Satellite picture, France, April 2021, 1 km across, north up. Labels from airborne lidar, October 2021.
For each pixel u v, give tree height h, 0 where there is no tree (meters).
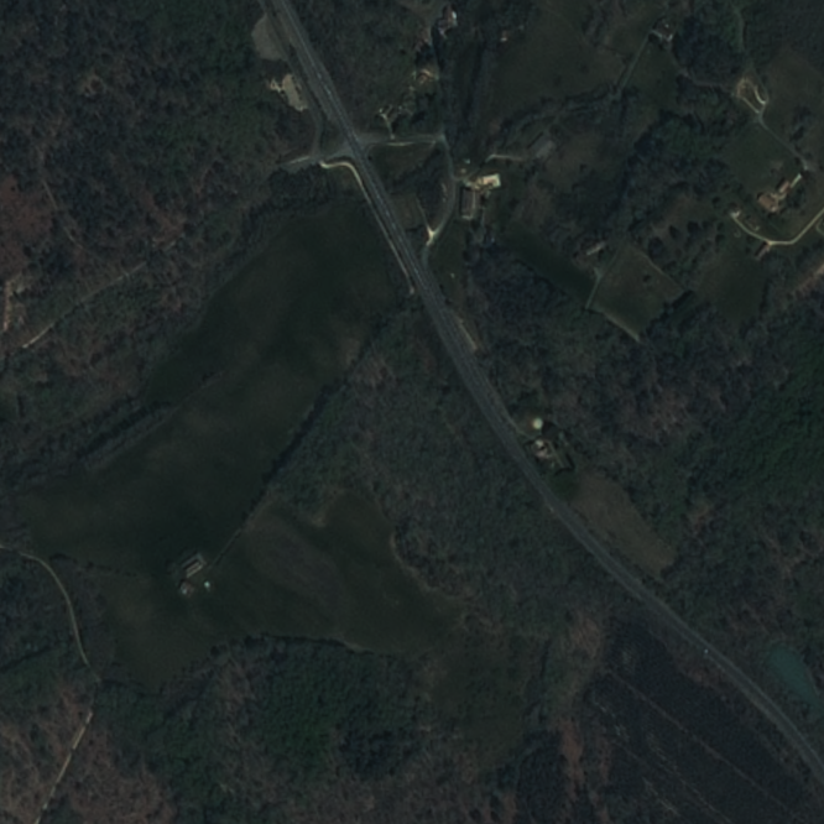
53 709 13
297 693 21
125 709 27
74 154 17
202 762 17
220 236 25
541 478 7
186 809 21
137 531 0
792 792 8
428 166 11
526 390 8
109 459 16
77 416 25
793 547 21
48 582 8
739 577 20
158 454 0
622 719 7
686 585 19
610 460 18
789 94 0
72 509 0
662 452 19
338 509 0
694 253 16
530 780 10
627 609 14
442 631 0
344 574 0
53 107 22
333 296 0
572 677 20
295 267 0
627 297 0
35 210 10
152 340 14
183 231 8
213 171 22
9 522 11
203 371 0
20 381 24
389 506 15
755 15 8
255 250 19
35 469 14
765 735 8
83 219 25
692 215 0
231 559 0
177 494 0
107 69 16
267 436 0
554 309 28
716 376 19
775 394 20
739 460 23
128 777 9
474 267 17
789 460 23
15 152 20
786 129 8
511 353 26
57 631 7
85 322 23
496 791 13
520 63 0
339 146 0
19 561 10
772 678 10
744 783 8
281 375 0
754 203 7
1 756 19
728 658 15
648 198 20
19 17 24
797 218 0
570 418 16
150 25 20
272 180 8
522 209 11
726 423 21
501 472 18
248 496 0
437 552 19
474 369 10
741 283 0
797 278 16
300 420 0
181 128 21
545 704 8
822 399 8
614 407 15
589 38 12
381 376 14
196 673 11
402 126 16
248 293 0
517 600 20
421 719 6
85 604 13
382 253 8
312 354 0
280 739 16
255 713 14
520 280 22
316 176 10
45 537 0
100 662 10
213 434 0
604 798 11
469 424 22
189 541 0
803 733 10
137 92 13
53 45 24
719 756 7
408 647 0
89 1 26
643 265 0
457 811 8
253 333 0
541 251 0
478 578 20
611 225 14
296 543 0
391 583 0
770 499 21
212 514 0
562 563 19
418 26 9
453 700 0
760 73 10
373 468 17
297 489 19
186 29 19
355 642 0
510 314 24
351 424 15
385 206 0
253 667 10
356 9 23
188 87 14
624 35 0
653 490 16
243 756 13
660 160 25
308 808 15
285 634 0
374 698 22
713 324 20
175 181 19
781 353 22
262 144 13
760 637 21
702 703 7
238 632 0
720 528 22
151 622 0
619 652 11
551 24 0
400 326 12
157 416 18
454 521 24
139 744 16
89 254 7
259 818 16
